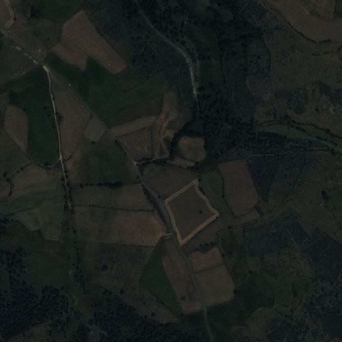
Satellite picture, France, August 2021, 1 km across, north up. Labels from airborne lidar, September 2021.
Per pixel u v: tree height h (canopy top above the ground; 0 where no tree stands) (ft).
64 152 0
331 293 0
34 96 0
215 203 0
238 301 0
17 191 0
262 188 0
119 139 0
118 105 0
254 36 18
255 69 0
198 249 0
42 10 0
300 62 0
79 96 0
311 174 0
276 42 0
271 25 0
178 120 0
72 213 28
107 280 0
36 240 0
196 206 0
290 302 0
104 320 43
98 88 0
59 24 0
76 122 0
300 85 0
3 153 0
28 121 0
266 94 0
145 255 0
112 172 0
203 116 50
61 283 0
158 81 0
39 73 0
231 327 0
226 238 0
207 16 0
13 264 58
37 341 0
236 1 35
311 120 0
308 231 0
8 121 0
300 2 0
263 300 0
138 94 0
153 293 0
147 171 0
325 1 0
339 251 0
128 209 0
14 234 0
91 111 0
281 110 0
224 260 0
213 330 0
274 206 0
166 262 0
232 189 0
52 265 0
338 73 0
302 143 0
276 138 66
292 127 24
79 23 0
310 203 0
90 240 0
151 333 64
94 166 0
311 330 0
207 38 0
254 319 0
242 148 36
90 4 0
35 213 0
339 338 0
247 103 0
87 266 0
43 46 0
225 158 0
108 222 0
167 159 23
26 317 61
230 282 0
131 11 45
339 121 0
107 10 0
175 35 38
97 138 0
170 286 0
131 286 0
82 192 0
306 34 0
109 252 0
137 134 0
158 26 37
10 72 0
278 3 0
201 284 0
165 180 0
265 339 0
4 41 0
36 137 0
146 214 0
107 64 0
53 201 0
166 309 0
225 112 24
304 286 0
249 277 0
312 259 0
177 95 0
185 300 0
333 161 0
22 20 0
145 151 0
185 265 0
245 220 0
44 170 0
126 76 0
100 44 0
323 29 0
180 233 0
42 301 37
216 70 0
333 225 0
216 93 29
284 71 0
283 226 0
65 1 0
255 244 0
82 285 22
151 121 0
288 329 0
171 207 0
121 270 0
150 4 41
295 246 0
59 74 0
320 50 0
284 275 0
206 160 0
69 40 0
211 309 0
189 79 0
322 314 0
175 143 50
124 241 0
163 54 0
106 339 58
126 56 0
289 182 0
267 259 0
